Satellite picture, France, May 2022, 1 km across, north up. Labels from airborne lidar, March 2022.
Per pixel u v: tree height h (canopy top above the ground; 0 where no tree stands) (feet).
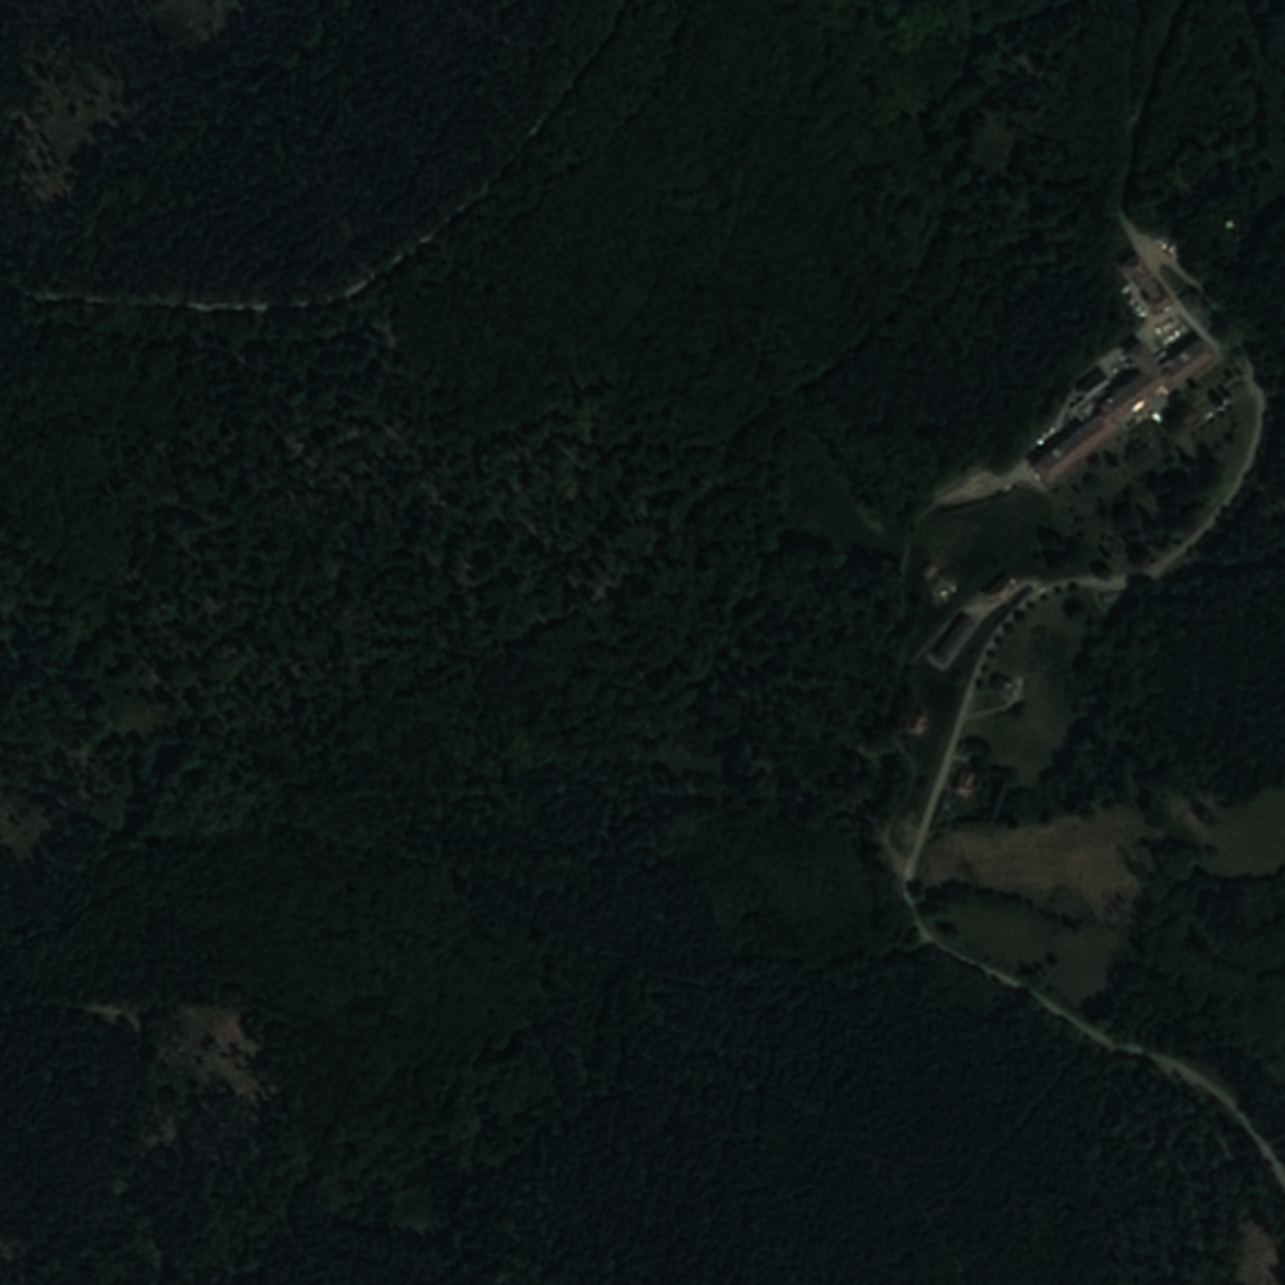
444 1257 108
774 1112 66
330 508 43
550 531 53
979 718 0
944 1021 53
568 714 56
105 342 46
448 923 60
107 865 65
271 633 29
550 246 50
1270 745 96
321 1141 75
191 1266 86
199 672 113
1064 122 69
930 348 88
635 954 103
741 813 40
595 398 65
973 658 0
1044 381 53
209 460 32
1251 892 37
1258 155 62
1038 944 0
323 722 52
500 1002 72
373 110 89
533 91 64
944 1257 52
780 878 53
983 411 88
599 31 39
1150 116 56
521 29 85
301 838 63
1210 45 81
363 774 87
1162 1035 82
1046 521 0
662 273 58
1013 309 84
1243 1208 63
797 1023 66
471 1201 90
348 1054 71
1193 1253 53
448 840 79
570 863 72
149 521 40
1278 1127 128
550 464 109
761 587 102
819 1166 52
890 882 79
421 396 27
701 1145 92
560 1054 98
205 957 67
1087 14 59
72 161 0
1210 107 63
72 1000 58
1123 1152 25
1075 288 84
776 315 71
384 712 65
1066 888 0
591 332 43
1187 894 82
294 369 36
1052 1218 53
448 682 76
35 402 45
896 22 82
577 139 42
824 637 80
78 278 66
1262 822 0
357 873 70
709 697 126
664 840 82
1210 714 71
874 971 56
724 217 70
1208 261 63
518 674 80
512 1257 94
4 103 88
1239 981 73
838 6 76
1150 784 84
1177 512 82
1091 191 90
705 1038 91
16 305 76
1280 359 69
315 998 72
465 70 65
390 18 74
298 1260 95
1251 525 89
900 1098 68
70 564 61
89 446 44
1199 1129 60
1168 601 74
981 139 26
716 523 69
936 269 69
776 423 54
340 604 108
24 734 103
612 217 55
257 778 84
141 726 0
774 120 52
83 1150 91
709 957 94
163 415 30
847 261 67
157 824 74
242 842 57
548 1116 78
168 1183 103
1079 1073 48
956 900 62
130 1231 94
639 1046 73
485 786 81
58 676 23
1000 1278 56
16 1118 85
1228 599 91
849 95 74
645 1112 96
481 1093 81
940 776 0
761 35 50
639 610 41
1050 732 0
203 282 77
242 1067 75
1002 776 47
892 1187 53
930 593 0
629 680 61
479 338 56
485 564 106
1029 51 19
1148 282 0
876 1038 55
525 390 46
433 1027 61
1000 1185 53
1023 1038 55
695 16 51
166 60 90
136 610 97
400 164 72
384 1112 60
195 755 88
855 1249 72
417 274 47
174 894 54
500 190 42
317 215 85
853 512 0
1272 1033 82
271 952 60
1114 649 63
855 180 73
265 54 83
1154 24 71
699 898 86
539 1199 74
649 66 36
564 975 102
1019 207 46
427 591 112
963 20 89
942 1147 50
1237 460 0
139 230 68
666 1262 85
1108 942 0
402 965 58
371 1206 50
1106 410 0
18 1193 96
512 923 101
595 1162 89
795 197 51
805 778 55
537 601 40
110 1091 87
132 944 58
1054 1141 54
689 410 74
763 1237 61
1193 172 73
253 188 63
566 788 95
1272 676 86
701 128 57
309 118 59
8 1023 69
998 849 0
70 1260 95
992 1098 37
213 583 98
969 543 0
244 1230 86
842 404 93
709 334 53
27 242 90
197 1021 0
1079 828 0
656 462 65
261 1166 95
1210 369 0
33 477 68
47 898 95
